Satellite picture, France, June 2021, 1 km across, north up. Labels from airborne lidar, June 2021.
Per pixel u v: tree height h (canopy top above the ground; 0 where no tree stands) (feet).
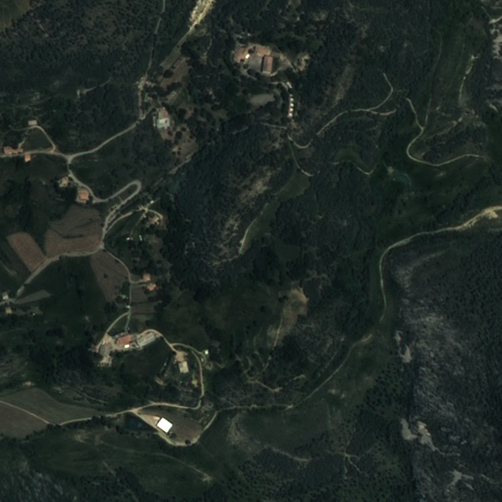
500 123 0
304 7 39
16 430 0
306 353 38
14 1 0
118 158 0
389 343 0
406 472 35
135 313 0
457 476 0
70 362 35
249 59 0
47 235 0
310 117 25
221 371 24
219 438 0
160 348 0
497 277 33
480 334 29
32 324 0
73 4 39
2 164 0
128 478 45
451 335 0
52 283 0
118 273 0
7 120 42
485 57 34
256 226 0
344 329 32
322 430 0
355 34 25
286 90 35
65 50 36
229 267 33
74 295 0
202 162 58
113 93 41
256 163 22
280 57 0
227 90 47
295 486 37
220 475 0
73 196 36
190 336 0
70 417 0
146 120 22
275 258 29
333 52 38
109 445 0
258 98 0
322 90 28
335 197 43
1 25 0
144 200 32
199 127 49
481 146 23
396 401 25
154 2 39
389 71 34
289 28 60
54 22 37
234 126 76
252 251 49
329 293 24
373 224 38
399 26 19
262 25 41
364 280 48
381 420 29
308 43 44
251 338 0
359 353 0
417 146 0
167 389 29
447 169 0
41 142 0
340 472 29
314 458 23
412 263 0
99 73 36
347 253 30
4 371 0
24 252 0
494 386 27
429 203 29
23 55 39
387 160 18
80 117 35
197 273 29
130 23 40
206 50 21
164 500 55
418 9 21
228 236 20
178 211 35
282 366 20
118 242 31
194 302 0
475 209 0
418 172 0
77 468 0
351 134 33
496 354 24
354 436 19
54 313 0
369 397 36
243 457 0
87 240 0
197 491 0
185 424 0
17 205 0
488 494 22
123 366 40
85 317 0
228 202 31
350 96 36
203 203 33
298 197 29
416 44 22
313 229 31
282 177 31
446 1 30
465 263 19
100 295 0
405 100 50
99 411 23
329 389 0
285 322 0
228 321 0
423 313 0
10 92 28
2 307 29
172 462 0
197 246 30
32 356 58
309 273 36
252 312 0
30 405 0
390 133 45
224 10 52
